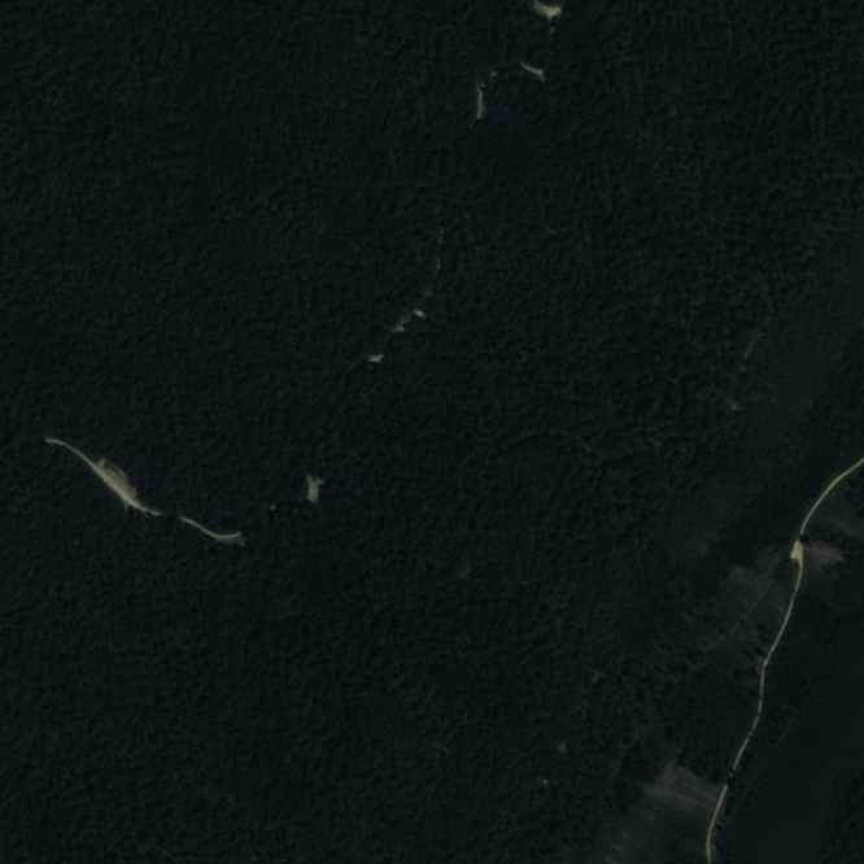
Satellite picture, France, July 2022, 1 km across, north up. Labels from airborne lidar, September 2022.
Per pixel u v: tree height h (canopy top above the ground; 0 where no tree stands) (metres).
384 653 22
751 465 8
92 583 20
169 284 18
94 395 16
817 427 16
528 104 20
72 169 22
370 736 23
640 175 19
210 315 24
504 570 19
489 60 15
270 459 13
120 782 9
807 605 7
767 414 5
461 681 15
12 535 18
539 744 19
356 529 26
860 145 22
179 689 7
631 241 21
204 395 23
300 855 26
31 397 12
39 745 11
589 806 36
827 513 0
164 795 19
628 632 16
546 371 6
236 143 20
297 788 22
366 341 24
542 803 22
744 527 26
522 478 17
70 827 26
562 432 17
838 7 19
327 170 16
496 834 22
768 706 9
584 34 14
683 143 20
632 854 0
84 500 20
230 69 19
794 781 6
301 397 16
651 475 17
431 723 17
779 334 13
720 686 14
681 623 32
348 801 21
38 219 29
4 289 15
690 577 18
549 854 35
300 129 23
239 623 19
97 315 26
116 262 19
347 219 19
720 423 16
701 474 14
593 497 16
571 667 18
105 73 28
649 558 28
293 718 27
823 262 11
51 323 19
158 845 17
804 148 22
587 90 27
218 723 19
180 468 15
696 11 22
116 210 15
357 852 20
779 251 23
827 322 11
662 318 14
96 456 8
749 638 0
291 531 18
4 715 17
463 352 27
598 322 19
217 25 16
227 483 20
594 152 23
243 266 15
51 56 9
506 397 12
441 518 19
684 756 10
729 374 12
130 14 14
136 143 15
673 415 7
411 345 19
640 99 14
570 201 16
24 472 15
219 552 22
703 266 15
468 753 22
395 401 16
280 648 18
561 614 16
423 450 24
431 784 18
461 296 17
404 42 21
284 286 26
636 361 21
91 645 16
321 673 24
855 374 29
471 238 21
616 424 23
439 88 22
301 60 21
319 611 13
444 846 17
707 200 20
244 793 23
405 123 17
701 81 14
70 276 29
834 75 29
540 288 22
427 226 22
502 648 23
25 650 24
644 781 32
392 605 16
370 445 20
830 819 8
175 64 16
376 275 14
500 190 16
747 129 17
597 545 16
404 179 19
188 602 19
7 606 24
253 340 18
